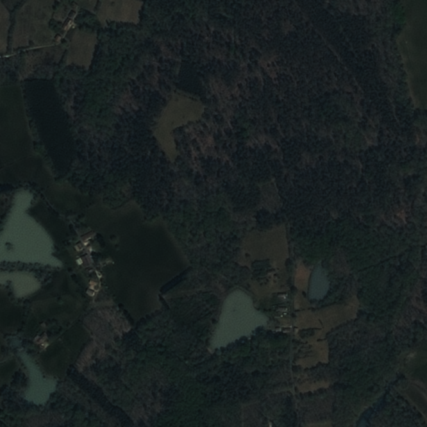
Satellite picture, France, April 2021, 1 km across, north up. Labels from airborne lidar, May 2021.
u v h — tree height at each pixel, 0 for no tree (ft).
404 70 37
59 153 39
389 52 60
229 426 72
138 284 0
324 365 31
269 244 0
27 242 0
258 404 48
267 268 22
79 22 22
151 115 58
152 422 55
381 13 54
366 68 62
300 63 76
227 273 69
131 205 0
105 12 0
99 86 65
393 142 55
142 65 51
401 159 64
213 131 50
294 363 26
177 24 82
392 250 73
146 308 0
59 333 27
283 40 86
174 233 71
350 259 53
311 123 59
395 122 63
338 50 53
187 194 64
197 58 71
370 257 81
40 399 0
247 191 64
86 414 82
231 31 47
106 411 61
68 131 41
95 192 80
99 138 45
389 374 71
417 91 0
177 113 0
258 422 46
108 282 0
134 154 73
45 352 0
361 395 87
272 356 38
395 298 77
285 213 73
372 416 44
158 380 50
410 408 49
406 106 63
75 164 64
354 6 40
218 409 73
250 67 30
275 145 52
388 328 65
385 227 69
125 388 75
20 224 0
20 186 25
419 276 42
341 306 0
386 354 83
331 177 77
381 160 78
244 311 0
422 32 0
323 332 0
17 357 56
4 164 0
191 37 71
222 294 0
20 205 0
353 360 72
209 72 70
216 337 0
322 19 50
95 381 62
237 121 59
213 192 47
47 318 0
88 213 0
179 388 63
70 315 0
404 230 70
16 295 0
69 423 65
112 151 69
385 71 46
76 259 0
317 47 76
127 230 0
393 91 59
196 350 40
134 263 0
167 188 69
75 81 47
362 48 69
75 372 59
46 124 40
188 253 52
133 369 70
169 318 51
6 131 0
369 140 65
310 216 71
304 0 62
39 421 41
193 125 41
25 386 77
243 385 53
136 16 0
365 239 81
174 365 58
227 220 87
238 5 70
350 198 81
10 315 0
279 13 83
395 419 71
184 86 34
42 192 21
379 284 69
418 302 42
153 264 0
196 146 66
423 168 76
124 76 64
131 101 42
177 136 38
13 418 36
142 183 79
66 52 30
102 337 47
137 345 62
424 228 59
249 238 0
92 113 72
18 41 0
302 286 0
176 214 76
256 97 56
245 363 71
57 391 21
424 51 0
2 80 36
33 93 37
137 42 77
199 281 35
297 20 91
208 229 67
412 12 0
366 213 72
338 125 88
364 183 82
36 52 29
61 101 37
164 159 45
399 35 52
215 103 76
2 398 50
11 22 25
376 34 41
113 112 51
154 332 50
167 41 40
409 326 62
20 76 32
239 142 26
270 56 69
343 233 83
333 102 89
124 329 30
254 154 74
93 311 27
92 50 0
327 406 50
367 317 35
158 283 0
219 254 59
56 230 0
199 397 67
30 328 0
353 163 52
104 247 33
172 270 0
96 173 89
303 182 79
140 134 80
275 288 0
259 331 37
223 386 68
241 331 0
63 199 0
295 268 51
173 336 47
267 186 38
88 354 56
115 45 64
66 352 0
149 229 0
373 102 57
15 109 0
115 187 57
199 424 70
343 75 72
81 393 31
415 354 0
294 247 45
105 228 0
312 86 84
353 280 50
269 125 76
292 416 74
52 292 0
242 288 0
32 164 0
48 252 0
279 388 63
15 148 0
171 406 82
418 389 0
